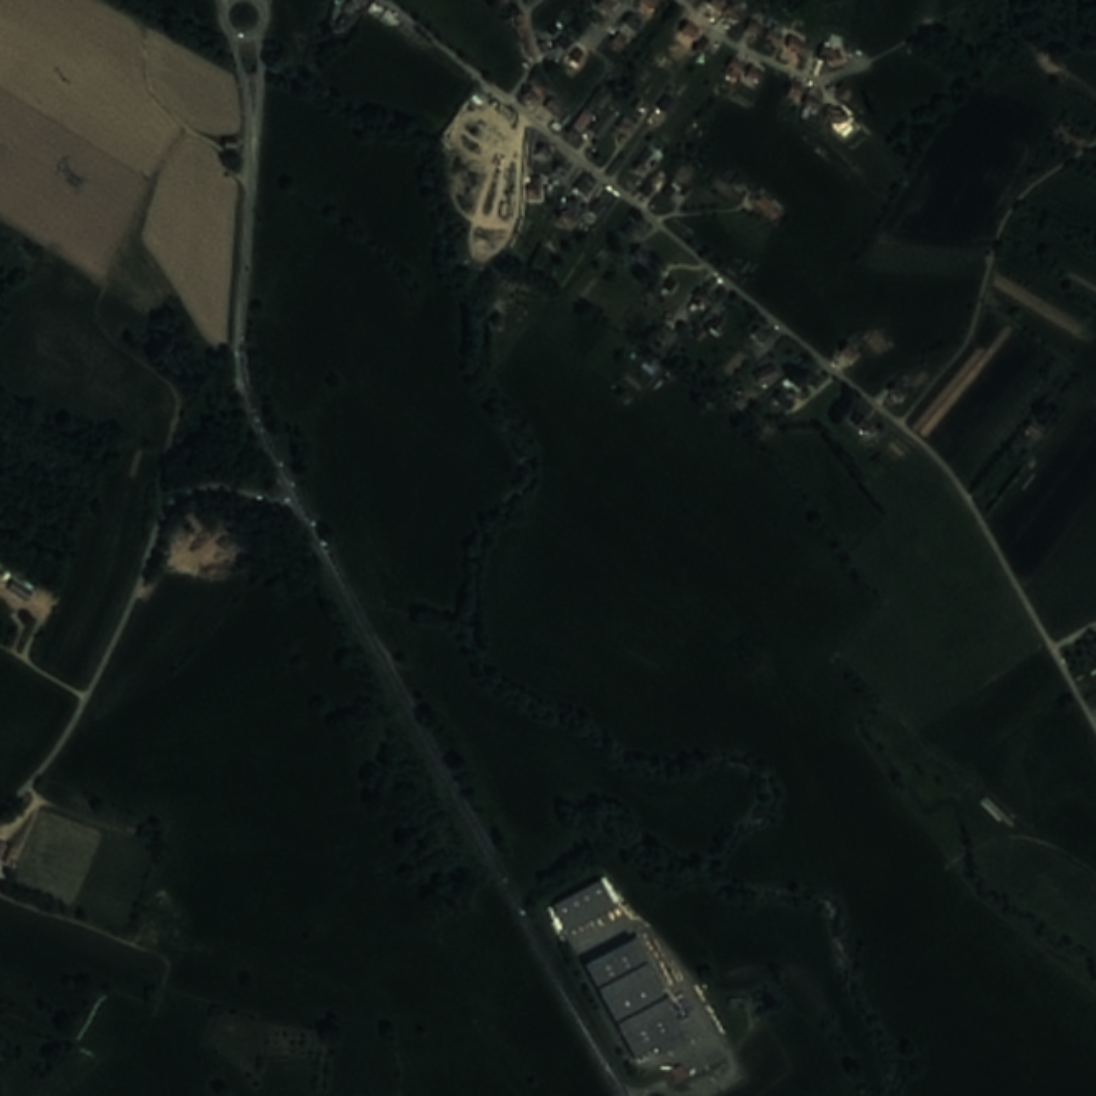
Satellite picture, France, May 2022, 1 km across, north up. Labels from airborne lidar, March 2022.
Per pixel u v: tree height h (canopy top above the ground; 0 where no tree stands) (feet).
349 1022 0
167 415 0
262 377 52
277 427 69
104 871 0
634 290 0
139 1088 0
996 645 0
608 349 0
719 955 0
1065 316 0
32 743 0
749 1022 0
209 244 0
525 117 0
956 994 0
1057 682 0
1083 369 0
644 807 0
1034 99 0
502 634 0
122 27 0
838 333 0
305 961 0
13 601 0
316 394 0
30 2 0
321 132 0
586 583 0
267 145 0
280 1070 0
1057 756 0
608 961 0
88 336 0
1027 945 0
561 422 0
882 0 0
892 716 0
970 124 0
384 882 0
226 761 0
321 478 0
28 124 0
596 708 0
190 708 0
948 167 0
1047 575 0
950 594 0
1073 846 0
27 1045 0
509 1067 0
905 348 0
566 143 0
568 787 0
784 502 0
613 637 0
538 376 0
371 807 36
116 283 0
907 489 0
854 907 0
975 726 0
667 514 0
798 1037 0
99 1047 0
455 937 0
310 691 0
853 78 0
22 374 0
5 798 0
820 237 0
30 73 0
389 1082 0
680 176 0
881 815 0
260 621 0
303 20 0
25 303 0
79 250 0
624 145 0
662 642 0
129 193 0
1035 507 0
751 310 25
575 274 0
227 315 0
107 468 48
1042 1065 0
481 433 0
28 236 0
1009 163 0
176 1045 0
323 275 0
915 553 0
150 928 0
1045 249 34
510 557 0
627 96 34
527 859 0
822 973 0
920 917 0
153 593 0
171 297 0
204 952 0
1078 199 0
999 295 0
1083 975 0
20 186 0
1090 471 0
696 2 0
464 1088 0
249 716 0
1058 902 0
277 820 0
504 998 0
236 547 46
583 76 0
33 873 0
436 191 53
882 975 0
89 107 0
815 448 0
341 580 0
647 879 60
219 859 0
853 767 0
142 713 0
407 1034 0
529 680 0
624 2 0
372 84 0
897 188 27
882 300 0
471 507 0
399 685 0
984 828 0
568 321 0
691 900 0
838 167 0
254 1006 0
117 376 0
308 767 0
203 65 0
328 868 0
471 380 44
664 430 0
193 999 0
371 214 0
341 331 0
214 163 0
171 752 0
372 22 0
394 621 0
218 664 0
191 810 0
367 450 0
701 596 0
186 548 0
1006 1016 0
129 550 0
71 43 0
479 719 0
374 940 0
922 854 0
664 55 0
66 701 0
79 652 0
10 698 0
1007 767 0
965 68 63
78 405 0
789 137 0
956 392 0
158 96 0
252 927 0
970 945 0
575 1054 0
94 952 0
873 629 0
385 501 0
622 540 0
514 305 0
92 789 0
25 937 0
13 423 72
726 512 0
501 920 0
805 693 0
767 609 0
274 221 0
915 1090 0
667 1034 0
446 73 0
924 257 0
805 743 0
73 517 54
